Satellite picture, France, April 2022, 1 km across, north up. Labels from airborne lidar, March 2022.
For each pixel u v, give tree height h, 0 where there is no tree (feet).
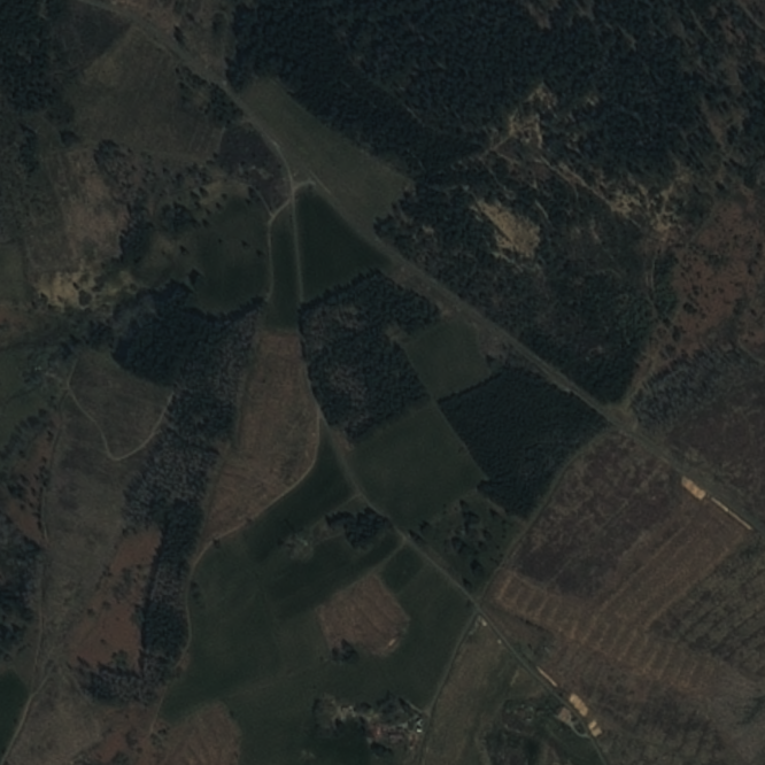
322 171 0
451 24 95
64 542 0
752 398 0
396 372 70
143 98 0
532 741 0
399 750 0
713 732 0
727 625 0
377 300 57
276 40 63
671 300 43
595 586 0
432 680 0
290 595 0
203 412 68
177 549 65
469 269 35
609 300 21
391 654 0
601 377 28
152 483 75
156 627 79
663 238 0
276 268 0
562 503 0
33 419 0
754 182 28
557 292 26
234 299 0
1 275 0
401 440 0
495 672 0
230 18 0
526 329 33
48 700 0
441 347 0
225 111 32
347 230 0
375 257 0
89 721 0
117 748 0
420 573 0
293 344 0
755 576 0
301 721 0
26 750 0
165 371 92
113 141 0
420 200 39
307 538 24
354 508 0
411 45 98
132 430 0
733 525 75
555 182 35
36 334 0
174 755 0
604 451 0
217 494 0
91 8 0
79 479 0
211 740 0
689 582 75
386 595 0
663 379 23
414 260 24
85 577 0
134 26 0
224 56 0
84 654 0
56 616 0
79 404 0
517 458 50
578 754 0
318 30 45
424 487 0
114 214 0
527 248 0
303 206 0
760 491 0
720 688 0
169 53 0
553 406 37
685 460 0
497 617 0
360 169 0
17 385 0
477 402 40
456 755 0
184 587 68
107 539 0
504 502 59
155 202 0
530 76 94
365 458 0
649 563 63
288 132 0
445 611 0
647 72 102
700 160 89
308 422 0
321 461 0
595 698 0
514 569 0
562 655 0
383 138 67
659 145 91
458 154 36
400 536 0
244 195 0
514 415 34
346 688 0
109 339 40
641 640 69
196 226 56
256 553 0
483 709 0
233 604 0
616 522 0
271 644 0
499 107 80
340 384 59
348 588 0
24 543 78
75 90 0
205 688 0
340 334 63
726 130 54
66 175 0
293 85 97
